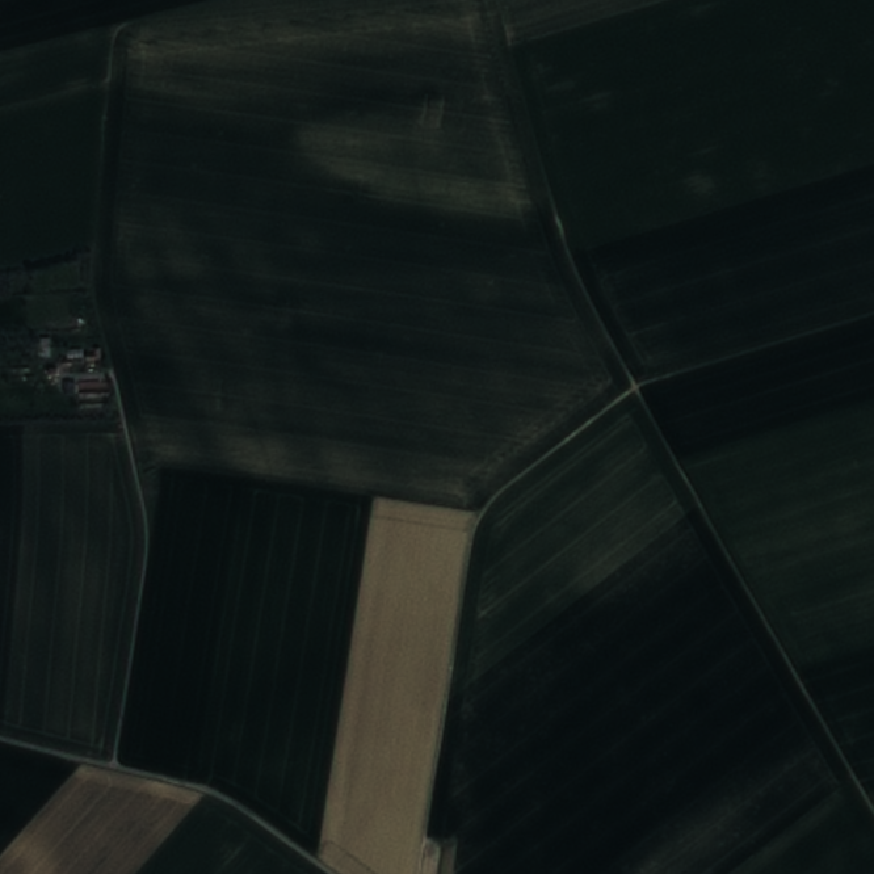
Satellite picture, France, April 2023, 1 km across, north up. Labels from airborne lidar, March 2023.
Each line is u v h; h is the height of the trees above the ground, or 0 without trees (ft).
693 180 0
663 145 0
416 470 0
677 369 0
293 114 0
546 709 0
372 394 0
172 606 0
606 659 0
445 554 0
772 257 0
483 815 0
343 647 0
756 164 0
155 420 0
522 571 0
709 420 0
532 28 0
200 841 0
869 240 0
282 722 0
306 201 0
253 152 0
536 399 0
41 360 41
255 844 0
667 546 0
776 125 0
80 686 0
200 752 0
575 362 0
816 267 0
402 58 0
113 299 0
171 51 0
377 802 0
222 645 0
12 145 0
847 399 0
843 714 0
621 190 0
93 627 0
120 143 0
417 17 0
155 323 0
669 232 0
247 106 0
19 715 0
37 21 0
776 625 0
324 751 0
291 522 0
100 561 0
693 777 0
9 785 0
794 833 0
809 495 0
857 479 0
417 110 0
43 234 0
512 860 0
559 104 0
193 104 0
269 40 0
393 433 0
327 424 0
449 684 0
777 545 0
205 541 0
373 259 0
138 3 0
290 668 0
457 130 0
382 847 0
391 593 0
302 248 0
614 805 0
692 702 0
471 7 0
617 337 0
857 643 0
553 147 0
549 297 0
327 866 0
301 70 0
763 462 0
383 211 0
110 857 0
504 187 0
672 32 0
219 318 0
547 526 0
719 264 0
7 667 0
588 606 0
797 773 0
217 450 0
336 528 0
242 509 0
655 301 0
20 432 0
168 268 0
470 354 0
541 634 0
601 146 0
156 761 0
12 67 0
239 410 0
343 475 0
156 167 0
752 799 0
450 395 0
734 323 0
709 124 0
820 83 0
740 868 0
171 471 0
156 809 0
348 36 0
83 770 0
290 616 0
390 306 0
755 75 0
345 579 0
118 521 0
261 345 0
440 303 0
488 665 0
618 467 0
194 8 0
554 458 0
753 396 0
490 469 0
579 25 0
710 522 0
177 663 0
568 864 0
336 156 0
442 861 0
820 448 0
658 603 0
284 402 0
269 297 0
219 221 0
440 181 0
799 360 0
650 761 0
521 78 0
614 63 0
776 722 0
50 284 0
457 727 0
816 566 0
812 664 0
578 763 0
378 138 0
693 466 0
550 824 0
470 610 0
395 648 0
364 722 0
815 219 0
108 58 0
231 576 0
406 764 0
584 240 0
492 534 0
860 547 0
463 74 0
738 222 0
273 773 0
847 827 0
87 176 0
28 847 0
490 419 0
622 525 0
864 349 0
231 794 0
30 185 0
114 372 0
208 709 0
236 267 0
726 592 0
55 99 0
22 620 0
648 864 0
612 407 0
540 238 0
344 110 0
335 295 0
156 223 0
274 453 0
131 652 0
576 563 0
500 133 0
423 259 0
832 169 0
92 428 0
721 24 0
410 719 0
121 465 0
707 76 0
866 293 0
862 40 0
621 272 0
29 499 0
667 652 0
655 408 0
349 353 0
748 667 0
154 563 0
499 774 0
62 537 0
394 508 0
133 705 0
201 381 0
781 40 0
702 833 0
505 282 0
